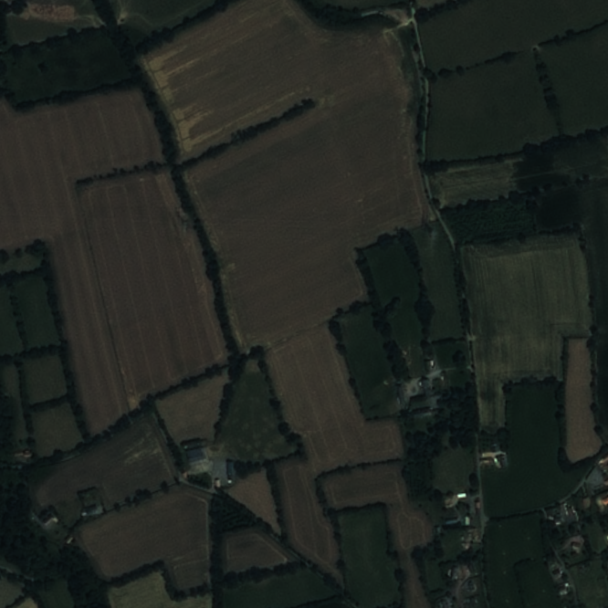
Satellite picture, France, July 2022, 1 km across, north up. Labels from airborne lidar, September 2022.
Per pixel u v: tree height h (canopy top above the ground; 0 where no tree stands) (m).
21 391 8
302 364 0
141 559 0
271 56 0
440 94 0
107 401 0
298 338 0
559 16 0
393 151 0
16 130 0
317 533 0
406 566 0
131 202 0
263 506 0
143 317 0
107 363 0
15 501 10
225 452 0
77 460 0
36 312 0
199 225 9
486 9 0
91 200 0
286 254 0
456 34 0
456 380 0
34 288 0
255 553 0
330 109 0
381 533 0
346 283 0
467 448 21
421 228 0
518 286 0
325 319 0
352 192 0
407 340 0
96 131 0
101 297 0
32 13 0
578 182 11
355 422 0
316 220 0
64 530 7
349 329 0
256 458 0
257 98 0
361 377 0
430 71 8
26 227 0
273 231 0
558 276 0
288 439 10
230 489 0
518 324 0
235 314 0
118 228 0
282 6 0
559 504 9
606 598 0
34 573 9
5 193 0
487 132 0
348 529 0
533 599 0
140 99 0
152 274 0
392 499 0
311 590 0
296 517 0
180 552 0
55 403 11
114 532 0
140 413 15
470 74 0
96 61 0
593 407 13
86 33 15
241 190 0
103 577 0
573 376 0
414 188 0
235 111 0
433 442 19
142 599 0
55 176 0
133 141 0
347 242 0
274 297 0
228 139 0
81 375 0
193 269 0
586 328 0
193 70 0
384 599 0
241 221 0
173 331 0
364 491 0
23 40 0
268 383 6
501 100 0
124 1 0
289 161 0
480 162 10
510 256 0
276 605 0
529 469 0
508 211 7
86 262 0
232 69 0
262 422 0
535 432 0
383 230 0
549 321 0
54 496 0
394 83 0
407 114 0
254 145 0
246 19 0
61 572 12
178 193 14
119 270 0
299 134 0
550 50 0
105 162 0
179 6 0
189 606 0
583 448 0
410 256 18
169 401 0
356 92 0
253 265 0
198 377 7
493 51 0
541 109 0
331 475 7
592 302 9
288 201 0
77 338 0
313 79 0
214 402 0
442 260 0
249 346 0
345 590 6
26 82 0
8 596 0
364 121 0
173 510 0
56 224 0
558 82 0
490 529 0
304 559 7
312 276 0
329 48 0
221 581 17
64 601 0
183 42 0
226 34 0
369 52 0
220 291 12
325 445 0
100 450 0
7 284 13
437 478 0
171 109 0
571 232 13
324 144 0
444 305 0
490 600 9
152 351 0
